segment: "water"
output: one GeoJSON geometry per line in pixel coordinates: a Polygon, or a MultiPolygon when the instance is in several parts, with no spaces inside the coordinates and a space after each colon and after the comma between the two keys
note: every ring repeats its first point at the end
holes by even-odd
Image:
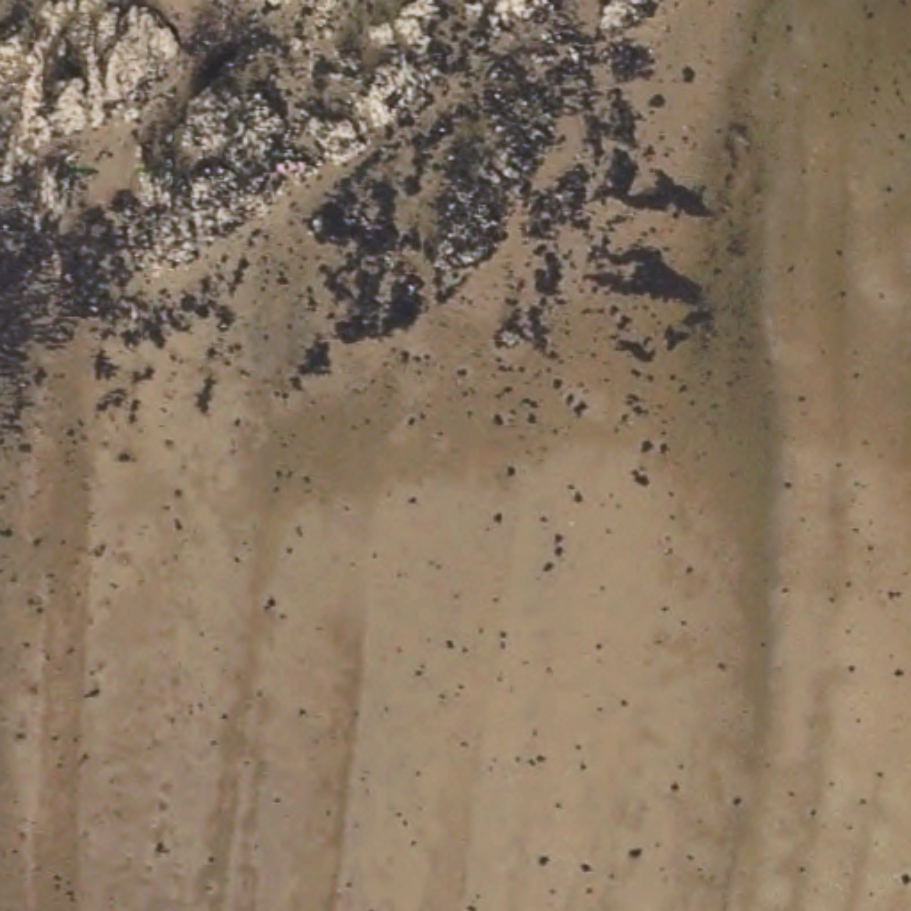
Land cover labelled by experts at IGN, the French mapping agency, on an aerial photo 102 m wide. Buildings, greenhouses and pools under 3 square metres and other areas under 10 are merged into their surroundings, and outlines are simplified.
{"type": "Polygon", "coordinates": [[[751,0],[751,18],[740,28],[744,57],[737,68],[726,71],[722,82],[726,128],[712,135],[712,142],[705,146],[701,171],[687,185],[697,189],[705,199],[705,214],[694,217],[701,224],[697,235],[705,253],[683,278],[701,285],[705,295],[683,302],[687,317],[665,331],[665,342],[683,345],[690,356],[683,359],[680,374],[655,370],[655,388],[644,399],[644,416],[658,420],[658,441],[665,459],[662,470],[680,488],[708,488],[719,523],[733,530],[744,555],[733,598],[747,619],[747,658],[719,662],[715,669],[722,676],[733,676],[733,683],[747,694],[762,694],[772,683],[772,651],[779,641],[779,626],[769,601],[779,580],[776,509],[779,495],[794,488],[794,480],[779,470],[783,445],[822,445],[826,452],[865,448],[865,459],[872,466],[879,463],[911,473],[911,0],[751,0]]]}

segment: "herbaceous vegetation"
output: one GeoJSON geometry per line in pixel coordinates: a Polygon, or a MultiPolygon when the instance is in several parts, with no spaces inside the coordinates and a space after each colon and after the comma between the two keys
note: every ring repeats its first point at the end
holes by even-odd
{"type": "Polygon", "coordinates": [[[345,256],[345,263],[320,267],[327,292],[349,306],[349,317],[338,324],[342,342],[388,338],[399,327],[409,327],[420,313],[423,292],[420,274],[409,263],[384,260],[388,249],[395,249],[399,228],[391,181],[377,181],[370,174],[381,164],[381,153],[374,149],[338,178],[335,196],[324,206],[306,214],[306,228],[317,235],[317,242],[356,242],[356,253],[345,256]]]}
{"type": "Polygon", "coordinates": [[[0,370],[4,377],[18,377],[28,356],[28,342],[64,349],[75,338],[82,317],[114,317],[117,306],[107,285],[128,285],[132,274],[117,249],[114,224],[103,217],[100,206],[89,206],[71,224],[71,231],[60,231],[53,217],[32,228],[32,221],[25,221],[21,214],[0,210],[0,370]]]}

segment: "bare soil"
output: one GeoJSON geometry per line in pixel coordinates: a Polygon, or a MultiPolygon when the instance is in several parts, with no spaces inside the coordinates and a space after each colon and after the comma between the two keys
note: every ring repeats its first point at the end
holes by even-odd
{"type": "Polygon", "coordinates": [[[662,470],[665,459],[658,441],[658,420],[644,416],[644,399],[655,388],[655,370],[680,374],[683,359],[690,356],[683,345],[665,342],[665,331],[687,317],[683,302],[705,295],[701,285],[683,278],[705,253],[697,235],[701,224],[694,217],[705,214],[705,199],[697,189],[687,185],[701,171],[705,146],[712,142],[712,135],[726,128],[722,82],[726,71],[737,68],[744,57],[740,28],[751,18],[751,0],[0,0],[0,210],[21,214],[25,221],[32,221],[32,228],[53,217],[60,231],[71,231],[71,224],[89,206],[100,206],[103,217],[114,224],[117,249],[132,274],[128,285],[107,285],[117,306],[114,317],[82,317],[75,338],[64,349],[28,342],[28,356],[18,377],[4,377],[0,370],[0,911],[911,911],[911,473],[879,463],[872,466],[865,459],[865,448],[826,452],[822,445],[783,445],[779,470],[794,480],[794,488],[779,495],[776,509],[779,580],[769,601],[779,626],[779,641],[772,651],[772,683],[762,694],[747,694],[733,683],[733,676],[722,676],[715,669],[719,662],[747,658],[747,619],[733,598],[744,555],[733,530],[719,523],[708,488],[680,488],[662,470]],[[420,313],[409,327],[399,327],[388,338],[342,342],[338,324],[349,317],[349,306],[327,292],[320,267],[345,263],[345,256],[356,253],[356,242],[317,242],[317,235],[306,228],[306,214],[324,206],[335,196],[338,178],[374,149],[381,153],[381,164],[370,174],[377,181],[391,181],[399,228],[395,249],[388,249],[384,260],[409,263],[420,274],[423,292],[420,313]]]}

